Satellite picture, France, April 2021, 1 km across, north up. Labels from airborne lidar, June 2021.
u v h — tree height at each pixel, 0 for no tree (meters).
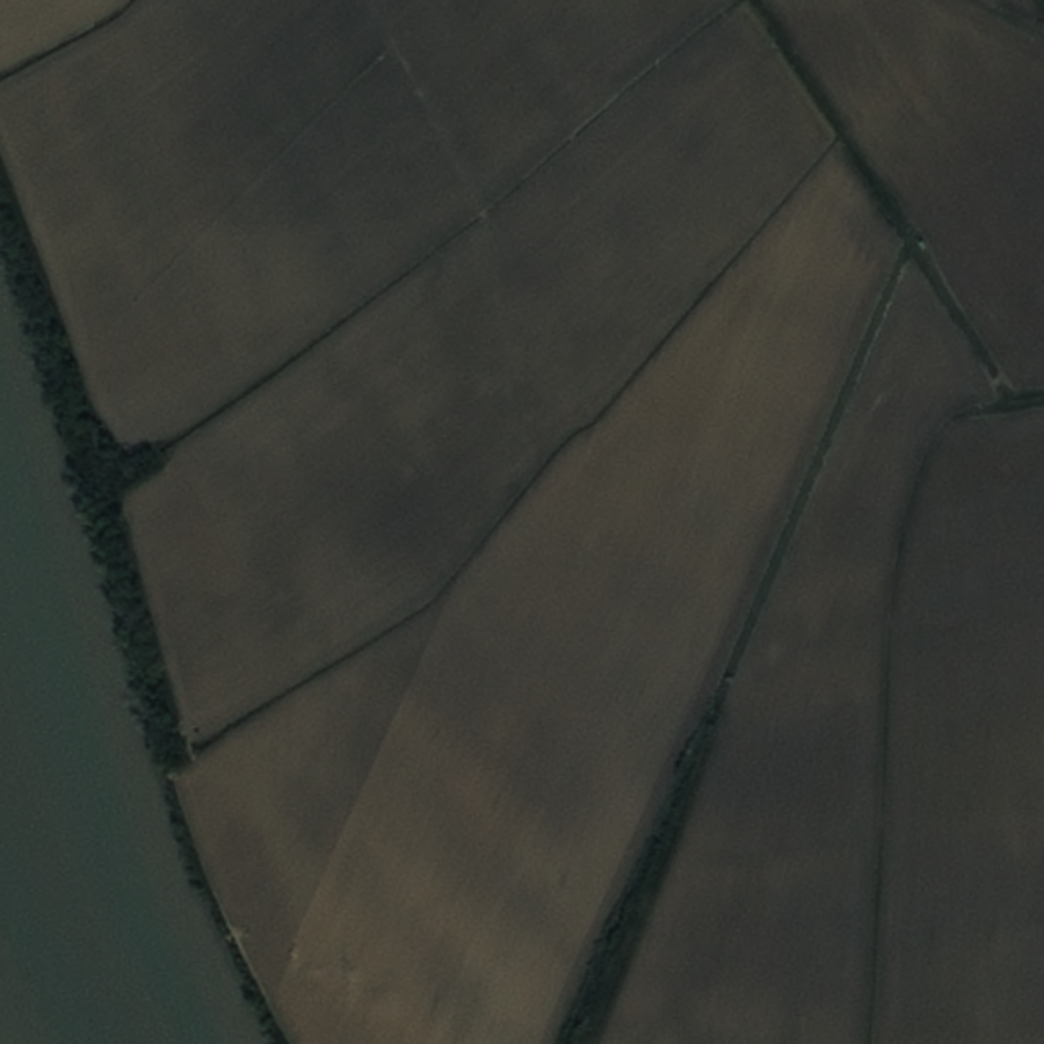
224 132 0
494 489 0
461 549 0
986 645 0
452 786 0
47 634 0
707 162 0
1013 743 0
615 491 0
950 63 0
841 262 0
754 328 0
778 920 0
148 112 0
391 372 0
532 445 0
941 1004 0
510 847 0
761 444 0
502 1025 0
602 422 0
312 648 0
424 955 0
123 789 0
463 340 0
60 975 0
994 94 0
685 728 0
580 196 0
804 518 0
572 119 0
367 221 0
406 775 0
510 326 0
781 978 0
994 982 0
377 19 0
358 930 0
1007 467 0
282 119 0
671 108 0
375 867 0
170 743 15
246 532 0
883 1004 0
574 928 0
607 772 0
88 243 0
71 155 0
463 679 0
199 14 0
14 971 0
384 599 0
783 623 0
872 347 0
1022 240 0
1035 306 0
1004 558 0
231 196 0
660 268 0
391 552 0
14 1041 0
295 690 0
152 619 13
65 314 0
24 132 0
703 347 0
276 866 0
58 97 0
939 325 0
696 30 0
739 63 0
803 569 0
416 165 0
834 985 0
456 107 0
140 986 0
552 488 0
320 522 0
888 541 0
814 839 0
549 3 0
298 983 0
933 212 0
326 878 0
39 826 0
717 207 0
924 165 0
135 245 0
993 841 0
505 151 0
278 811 0
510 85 0
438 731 0
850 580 0
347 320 0
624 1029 0
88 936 0
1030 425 0
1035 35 0
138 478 19
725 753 0
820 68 0
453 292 0
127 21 0
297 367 0
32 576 0
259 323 0
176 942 0
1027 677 0
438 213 0
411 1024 0
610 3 0
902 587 0
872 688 0
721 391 0
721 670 0
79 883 0
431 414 0
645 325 0
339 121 0
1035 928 0
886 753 0
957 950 0
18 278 16
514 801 0
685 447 0
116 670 0
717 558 0
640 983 0
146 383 0
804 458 0
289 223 0
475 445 0
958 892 0
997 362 0
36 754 0
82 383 18
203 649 0
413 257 0
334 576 0
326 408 0
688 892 0
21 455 0
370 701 0
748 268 0
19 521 0
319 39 0
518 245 0
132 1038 0
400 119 0
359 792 0
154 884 0
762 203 0
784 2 0
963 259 0
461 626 0
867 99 0
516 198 0
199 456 0
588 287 0
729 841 0
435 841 0
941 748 0
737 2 0
